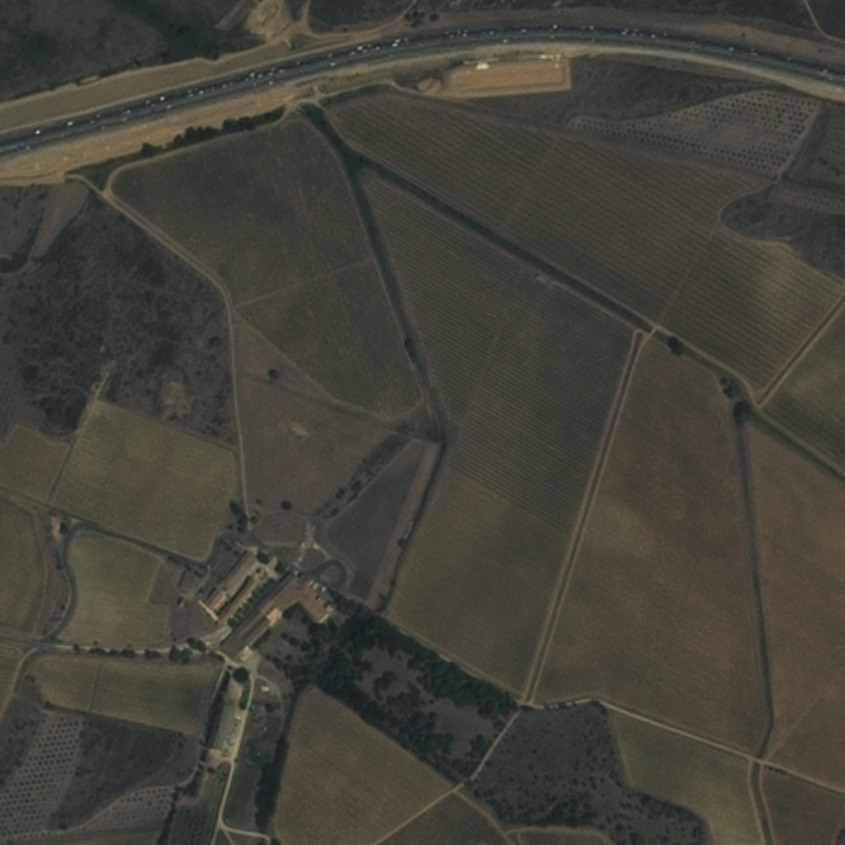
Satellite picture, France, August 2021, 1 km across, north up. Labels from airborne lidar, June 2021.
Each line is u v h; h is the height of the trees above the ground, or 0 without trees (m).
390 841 0
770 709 0
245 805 0
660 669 0
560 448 0
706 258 0
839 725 0
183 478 0
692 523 0
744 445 0
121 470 0
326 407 0
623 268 0
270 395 0
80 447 0
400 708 10
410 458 0
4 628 0
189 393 0
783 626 0
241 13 0
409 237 0
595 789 8
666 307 0
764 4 0
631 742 0
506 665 0
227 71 0
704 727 0
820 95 0
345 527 0
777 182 0
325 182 0
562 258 0
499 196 0
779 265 0
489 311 0
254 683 0
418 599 0
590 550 0
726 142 0
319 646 20
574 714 0
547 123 0
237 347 0
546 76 0
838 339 0
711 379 0
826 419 0
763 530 0
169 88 0
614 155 0
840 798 0
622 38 0
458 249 0
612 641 0
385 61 0
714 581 0
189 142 14
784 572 0
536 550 0
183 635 0
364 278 0
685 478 0
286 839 0
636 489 0
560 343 0
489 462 0
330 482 0
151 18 7
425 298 0
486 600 0
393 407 0
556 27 0
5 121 0
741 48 0
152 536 0
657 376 0
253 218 0
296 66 0
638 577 0
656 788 0
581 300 0
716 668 0
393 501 0
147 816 0
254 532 0
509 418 0
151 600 0
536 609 0
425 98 0
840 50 0
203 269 0
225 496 0
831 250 0
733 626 0
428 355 0
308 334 0
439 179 0
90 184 0
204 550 0
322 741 0
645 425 0
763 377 0
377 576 0
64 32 0
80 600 0
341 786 0
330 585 0
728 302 0
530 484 0
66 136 0
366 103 0
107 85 0
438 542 0
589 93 0
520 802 6
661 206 0
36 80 0
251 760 0
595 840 0
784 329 0
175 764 0
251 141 0
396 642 13
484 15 0
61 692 0
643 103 0
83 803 0
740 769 0
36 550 0
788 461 0
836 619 0
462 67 0
